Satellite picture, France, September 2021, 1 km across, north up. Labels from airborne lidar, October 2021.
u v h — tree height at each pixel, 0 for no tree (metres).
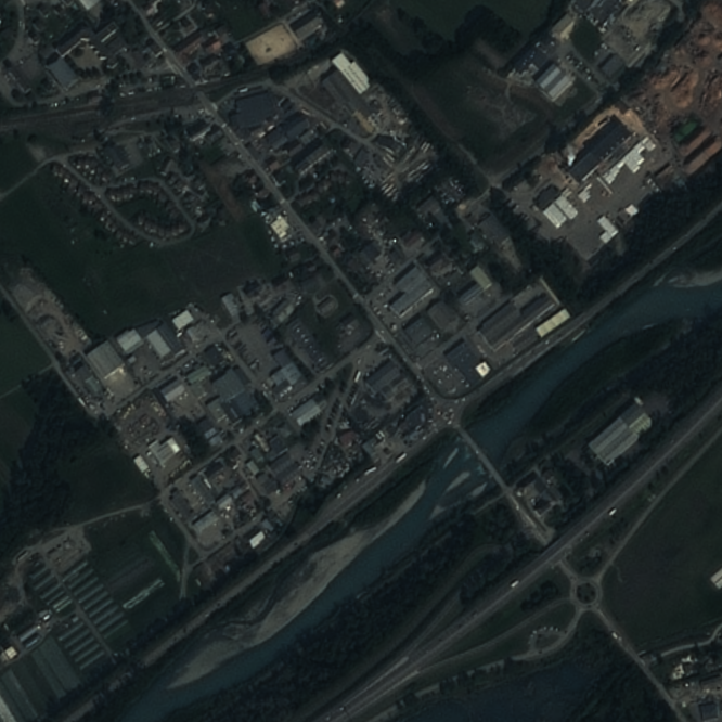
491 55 0
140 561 0
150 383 0
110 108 23
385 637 18
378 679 0
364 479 0
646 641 0
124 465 0
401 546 0
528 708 0
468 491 0
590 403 0
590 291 12
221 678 0
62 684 0
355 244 7
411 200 20
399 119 0
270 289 0
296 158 0
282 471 0
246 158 0
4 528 21
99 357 0
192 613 21
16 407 0
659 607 0
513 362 0
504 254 0
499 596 0
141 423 0
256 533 0
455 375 0
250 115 0
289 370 0
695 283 0
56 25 0
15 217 0
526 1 0
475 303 0
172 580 0
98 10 0
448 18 0
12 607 0
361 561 0
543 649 0
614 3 0
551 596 12
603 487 17
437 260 0
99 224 0
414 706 13
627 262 7
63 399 18
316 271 7
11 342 0
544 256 15
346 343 0
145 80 7
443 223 0
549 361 7
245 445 0
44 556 0
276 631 0
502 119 0
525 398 0
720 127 0
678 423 8
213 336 0
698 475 0
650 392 11
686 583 0
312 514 10
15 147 0
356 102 0
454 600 0
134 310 0
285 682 8
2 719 0
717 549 0
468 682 14
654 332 6
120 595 0
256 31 0
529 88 0
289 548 0
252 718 23
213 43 0
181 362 0
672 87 0
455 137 0
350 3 0
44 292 0
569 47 0
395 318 0
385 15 0
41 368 0
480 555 0
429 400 0
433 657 0
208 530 0
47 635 0
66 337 0
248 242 0
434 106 0
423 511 0
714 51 0
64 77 0
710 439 0
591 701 11
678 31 14
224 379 0
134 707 0
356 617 21
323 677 25
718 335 10
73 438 25
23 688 0
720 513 0
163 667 6
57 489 17
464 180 11
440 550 6
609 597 0
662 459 0
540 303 0
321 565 0
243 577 17
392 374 0
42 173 0
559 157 0
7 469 0
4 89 0
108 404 0
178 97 0
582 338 0
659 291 0
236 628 0
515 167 0
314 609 0
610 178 0
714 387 10
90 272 0
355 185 0
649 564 0
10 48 0
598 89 0
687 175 0
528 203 0
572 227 0
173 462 0
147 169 0
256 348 0
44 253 0
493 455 0
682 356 23
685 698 0
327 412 0
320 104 0
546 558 0
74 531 0
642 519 0
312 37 0
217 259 0
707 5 0
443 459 0
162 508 0
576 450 0
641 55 0
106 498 0
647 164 0
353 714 0
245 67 7
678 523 0
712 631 0
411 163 0
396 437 0
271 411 0
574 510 8
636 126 0
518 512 0
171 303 0
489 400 10
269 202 12
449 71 0
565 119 0
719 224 9
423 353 0
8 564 0
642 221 11
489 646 0
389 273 0
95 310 0
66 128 0
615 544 10
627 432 0
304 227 0
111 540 0
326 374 0
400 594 12
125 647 0
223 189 0
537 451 15
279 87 0
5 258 0
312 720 0
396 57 13
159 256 0
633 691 15
